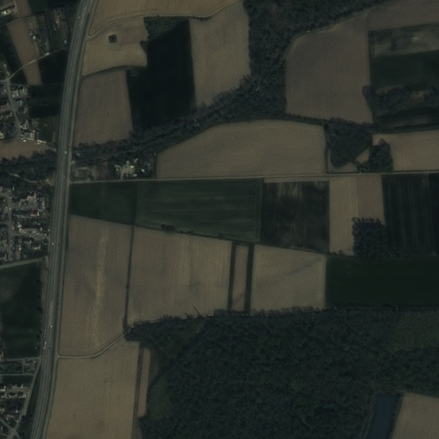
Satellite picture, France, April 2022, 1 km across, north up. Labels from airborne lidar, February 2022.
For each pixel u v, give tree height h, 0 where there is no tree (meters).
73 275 0
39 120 0
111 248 0
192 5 0
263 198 0
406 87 0
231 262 0
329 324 31
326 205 0
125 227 0
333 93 0
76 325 0
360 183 0
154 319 0
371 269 0
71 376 0
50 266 0
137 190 0
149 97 0
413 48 0
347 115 0
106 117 0
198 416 27
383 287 0
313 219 0
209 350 32
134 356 0
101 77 0
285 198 0
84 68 0
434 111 0
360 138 25
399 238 0
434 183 0
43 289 0
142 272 0
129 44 0
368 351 27
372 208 0
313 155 0
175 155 0
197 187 0
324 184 0
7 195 0
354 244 0
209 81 0
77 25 0
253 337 27
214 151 0
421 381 20
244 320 24
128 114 0
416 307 0
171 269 0
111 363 0
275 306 0
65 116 0
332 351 26
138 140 15
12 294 0
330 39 0
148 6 0
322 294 0
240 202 0
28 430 0
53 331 0
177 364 17
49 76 0
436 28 0
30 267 0
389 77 0
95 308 0
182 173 0
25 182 12
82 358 0
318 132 0
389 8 0
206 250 0
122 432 0
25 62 0
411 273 0
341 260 0
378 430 0
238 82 0
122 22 0
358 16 0
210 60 0
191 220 0
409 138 0
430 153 0
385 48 0
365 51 0
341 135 25
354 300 0
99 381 0
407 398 0
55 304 0
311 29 11
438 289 0
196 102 0
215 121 15
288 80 0
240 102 14
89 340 0
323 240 0
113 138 0
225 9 0
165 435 22
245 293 0
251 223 0
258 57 28
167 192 0
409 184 0
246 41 0
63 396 0
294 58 0
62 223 0
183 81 0
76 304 0
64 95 0
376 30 0
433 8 0
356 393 20
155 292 0
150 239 0
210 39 0
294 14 10
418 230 0
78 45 0
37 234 0
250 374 29
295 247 0
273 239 0
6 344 0
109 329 0
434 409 0
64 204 0
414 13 0
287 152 0
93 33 0
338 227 0
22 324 0
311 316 25
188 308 0
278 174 0
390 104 22
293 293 0
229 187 0
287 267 0
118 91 0
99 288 0
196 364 23
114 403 0
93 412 0
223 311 0
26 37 0
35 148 0
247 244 0
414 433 0
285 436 32
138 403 0
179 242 0
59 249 0
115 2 0
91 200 0
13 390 0
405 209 0
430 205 0
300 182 0
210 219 0
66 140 0
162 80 0
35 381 0
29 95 0
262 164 0
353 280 0
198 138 0
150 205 0
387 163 20
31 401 0
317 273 0
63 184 0
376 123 0
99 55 0
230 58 0
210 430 28
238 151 0
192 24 0
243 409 29
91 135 0
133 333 15
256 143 0
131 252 0
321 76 0
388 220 0
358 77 0
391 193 0
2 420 0
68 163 0
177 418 25
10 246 0
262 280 0
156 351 12
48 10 0
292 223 0
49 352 0
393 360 9
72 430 0
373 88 0
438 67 0
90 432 0
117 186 0
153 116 0
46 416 0
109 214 0
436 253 0
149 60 0
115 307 0
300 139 0
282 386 23
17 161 7
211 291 0
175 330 22
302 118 10
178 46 0
